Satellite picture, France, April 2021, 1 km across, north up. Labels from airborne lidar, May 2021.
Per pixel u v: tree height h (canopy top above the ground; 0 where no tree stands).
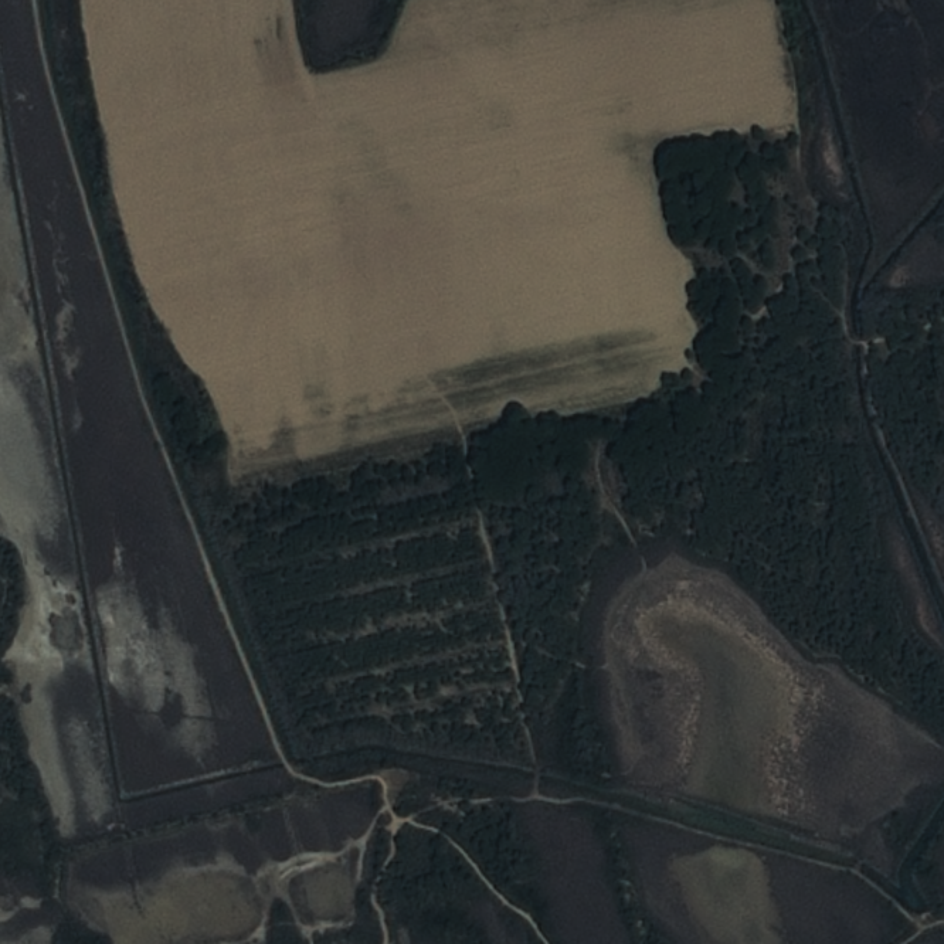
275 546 7
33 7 0
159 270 0
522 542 11
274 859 0
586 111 0
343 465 0
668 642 0
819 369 11
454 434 0
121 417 0
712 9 0
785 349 11
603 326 0
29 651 0
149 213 0
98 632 0
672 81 0
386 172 0
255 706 0
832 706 0
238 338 0
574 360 0
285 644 6
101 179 8
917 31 0
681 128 0
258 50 0
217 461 8
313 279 0
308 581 7
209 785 0
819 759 0
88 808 0
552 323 0
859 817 0
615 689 0
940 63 0
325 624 7
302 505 7
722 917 0
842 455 8
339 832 0
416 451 0
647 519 9
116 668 0
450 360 0
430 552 8
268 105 0
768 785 0
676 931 0
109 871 0
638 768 0
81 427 0
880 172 0
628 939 0
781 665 0
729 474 8
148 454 0
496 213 0
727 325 13
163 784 0
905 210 0
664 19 0
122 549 0
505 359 0
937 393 7
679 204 15
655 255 0
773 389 9
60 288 0
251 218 0
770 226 12
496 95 0
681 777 0
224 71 0
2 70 0
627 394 0
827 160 0
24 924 0
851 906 0
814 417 7
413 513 10
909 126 0
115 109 0
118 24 0
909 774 0
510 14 0
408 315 0
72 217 0
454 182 0
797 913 0
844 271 9
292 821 0
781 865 0
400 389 0
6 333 0
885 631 8
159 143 0
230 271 0
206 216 0
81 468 0
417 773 0
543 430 14
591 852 0
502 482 12
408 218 0
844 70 0
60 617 0
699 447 8
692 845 0
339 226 0
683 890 0
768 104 0
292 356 0
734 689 0
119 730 0
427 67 0
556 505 11
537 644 8
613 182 0
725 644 0
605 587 0
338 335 0
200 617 0
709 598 0
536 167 0
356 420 0
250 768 0
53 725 0
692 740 0
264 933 0
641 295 0
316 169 0
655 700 0
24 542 0
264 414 0
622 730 0
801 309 8
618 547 0
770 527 7
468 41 0
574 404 0
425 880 6
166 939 0
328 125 0
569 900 0
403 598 7
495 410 0
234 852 0
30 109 0
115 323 0
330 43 0
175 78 0
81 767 0
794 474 8
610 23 0
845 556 0
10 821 0
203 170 0
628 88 0
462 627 6
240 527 6
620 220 0
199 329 0
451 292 0
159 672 0
